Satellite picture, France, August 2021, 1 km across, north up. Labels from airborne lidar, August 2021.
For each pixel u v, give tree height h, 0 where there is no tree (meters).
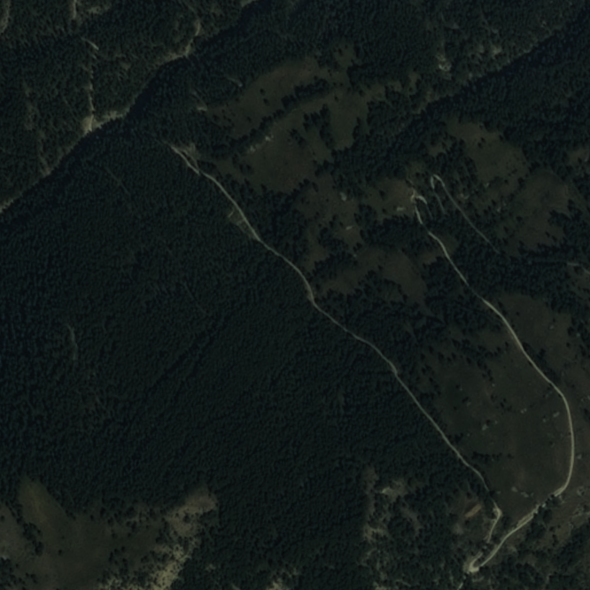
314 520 19
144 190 21
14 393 19
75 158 13
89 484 14
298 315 27
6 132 23
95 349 22
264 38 21
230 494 16
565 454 0
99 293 25
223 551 17
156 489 20
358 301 20
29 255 23
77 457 19
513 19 16
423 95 23
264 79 0
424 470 20
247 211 21
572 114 19
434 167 13
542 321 0
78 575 0
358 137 22
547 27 15
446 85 14
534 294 17
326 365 11
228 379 17
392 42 26
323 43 19
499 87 21
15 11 17
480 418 0
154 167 21
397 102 11
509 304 0
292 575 13
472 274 20
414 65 21
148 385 26
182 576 9
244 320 23
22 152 24
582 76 18
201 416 21
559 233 0
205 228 25
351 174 18
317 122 23
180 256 23
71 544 0
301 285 20
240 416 16
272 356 19
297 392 18
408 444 26
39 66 24
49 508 0
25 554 0
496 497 15
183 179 26
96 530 0
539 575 15
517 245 0
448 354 0
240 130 0
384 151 19
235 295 19
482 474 8
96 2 10
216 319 10
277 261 13
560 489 0
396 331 16
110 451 19
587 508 13
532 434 0
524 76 22
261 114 0
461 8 15
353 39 23
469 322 22
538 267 16
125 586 8
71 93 27
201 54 19
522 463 0
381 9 19
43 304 18
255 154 0
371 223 19
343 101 0
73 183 23
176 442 21
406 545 16
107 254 22
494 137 0
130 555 0
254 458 19
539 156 13
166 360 22
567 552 14
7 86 16
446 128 18
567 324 0
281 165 0
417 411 18
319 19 21
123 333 21
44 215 26
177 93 18
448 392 0
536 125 19
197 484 16
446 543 25
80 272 22
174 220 13
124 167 23
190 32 18
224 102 11
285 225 20
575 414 0
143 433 19
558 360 0
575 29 16
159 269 24
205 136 12
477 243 13
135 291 21
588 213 0
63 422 19
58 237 22
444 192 12
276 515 11
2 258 23
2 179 26
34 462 17
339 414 17
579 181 14
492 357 15
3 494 13
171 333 28
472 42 14
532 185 0
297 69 0
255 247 16
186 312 27
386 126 16
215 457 17
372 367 17
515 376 0
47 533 0
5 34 16
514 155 0
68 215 24
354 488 17
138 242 28
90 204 23
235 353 20
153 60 13
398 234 24
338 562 19
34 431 18
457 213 7
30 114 5
